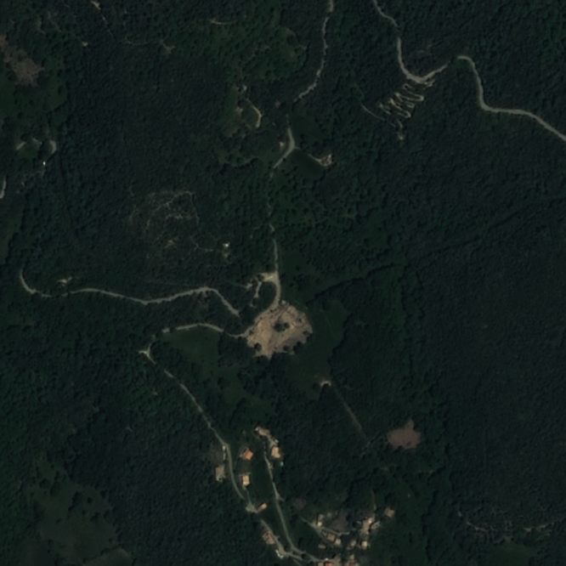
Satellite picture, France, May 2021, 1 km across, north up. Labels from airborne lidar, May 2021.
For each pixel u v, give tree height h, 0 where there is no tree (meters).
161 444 11
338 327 0
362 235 21
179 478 17
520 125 10
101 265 8
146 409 16
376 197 25
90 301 13
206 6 10
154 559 15
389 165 13
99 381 14
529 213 10
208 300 16
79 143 17
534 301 6
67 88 14
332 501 0
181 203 17
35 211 13
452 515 14
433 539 21
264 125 12
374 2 9
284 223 12
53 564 0
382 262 21
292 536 0
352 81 14
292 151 0
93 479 14
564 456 11
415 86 10
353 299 16
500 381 16
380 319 19
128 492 19
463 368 8
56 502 0
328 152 15
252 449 8
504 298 9
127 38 7
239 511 15
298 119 0
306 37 11
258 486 0
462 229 16
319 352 0
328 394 17
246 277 14
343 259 15
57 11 10
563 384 6
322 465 16
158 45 11
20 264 20
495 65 9
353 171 17
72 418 14
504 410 11
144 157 14
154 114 15
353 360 18
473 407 11
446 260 10
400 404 13
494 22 15
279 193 12
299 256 0
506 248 10
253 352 16
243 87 11
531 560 7
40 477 10
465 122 6
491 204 15
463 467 15
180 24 15
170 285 7
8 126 18
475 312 9
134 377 10
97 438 21
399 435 0
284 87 18
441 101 12
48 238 9
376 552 0
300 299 0
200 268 11
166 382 9
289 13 16
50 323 17
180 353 19
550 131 13
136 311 16
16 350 17
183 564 10
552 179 19
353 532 8
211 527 11
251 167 22
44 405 14
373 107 11
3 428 19
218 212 10
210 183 10
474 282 12
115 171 14
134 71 12
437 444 21
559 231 11
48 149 20
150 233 12
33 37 20
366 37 9
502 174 8
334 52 13
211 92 12
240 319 7
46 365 16
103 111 13
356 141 23
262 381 26
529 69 8
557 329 10
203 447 18
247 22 11
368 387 14
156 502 22
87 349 31
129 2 9
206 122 12
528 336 7
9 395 20
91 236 11
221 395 13
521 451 11
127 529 15
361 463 21
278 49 13
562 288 6
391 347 11
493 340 8
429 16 9
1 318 18
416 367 23
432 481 22
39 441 8
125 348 13
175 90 6
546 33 13
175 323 8
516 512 11
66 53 12
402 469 16
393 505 8
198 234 6
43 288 8
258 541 8
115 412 17
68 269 10
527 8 15
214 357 0
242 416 20
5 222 17
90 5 16
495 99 9
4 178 9
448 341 11
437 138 13
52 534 0
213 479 15
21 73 0
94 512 0
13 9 19
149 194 11
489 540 15
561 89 10
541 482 12
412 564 6
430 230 16
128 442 16
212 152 7
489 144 12
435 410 17
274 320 0
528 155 8
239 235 8
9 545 21
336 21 19
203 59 7
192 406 10
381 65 17
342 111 20
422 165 11
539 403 11
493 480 9
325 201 18
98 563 0
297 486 19
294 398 16
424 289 14
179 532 12
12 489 14
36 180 15
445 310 10
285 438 18
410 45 7
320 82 7
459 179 13
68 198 12
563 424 7
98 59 13
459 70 12
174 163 18
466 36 16
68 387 26
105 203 15
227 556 9
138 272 7
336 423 20
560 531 12
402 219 26
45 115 7
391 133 10
